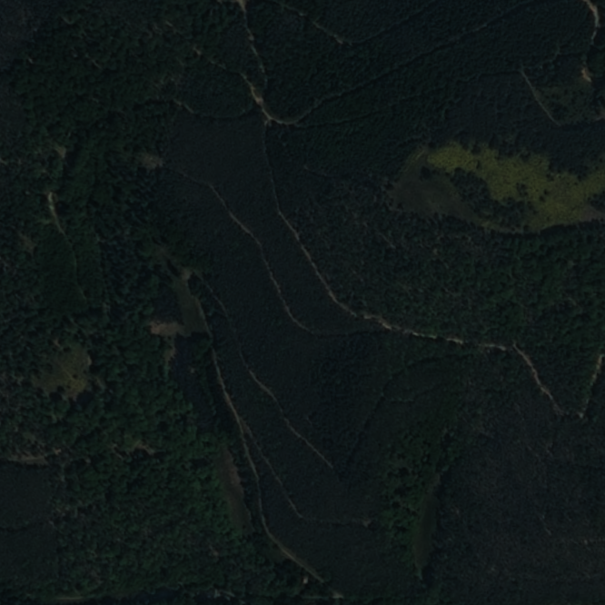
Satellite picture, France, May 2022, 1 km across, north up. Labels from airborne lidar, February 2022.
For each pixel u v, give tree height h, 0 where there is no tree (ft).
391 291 78
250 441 63
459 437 91
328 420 81
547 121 27
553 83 85
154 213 65
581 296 92
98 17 85
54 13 74
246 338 72
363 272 74
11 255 89
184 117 60
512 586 76
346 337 75
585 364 68
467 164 0
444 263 73
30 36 43
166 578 94
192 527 86
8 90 63
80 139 110
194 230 73
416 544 0
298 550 76
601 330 77
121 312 95
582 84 0
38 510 73
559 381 75
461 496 83
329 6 73
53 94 105
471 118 37
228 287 75
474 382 73
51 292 23
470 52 31
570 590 77
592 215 0
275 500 67
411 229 78
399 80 46
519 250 87
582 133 45
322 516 69
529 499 66
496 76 38
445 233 77
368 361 79
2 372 77
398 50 69
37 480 62
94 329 89
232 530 107
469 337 82
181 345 101
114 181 32
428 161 0
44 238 21
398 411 68
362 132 27
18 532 73
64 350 52
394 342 66
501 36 64
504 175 0
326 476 69
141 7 92
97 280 21
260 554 43
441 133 42
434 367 69
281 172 46
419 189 0
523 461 68
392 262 78
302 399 62
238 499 0
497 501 90
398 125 30
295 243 70
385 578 75
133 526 96
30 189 100
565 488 75
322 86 58
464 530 81
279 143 46
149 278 110
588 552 72
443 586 86
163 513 85
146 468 99
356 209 79
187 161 69
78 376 0
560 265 88
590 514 67
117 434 115
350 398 102
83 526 88
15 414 56
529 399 72
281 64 66
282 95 57
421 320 79
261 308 54
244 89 52
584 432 69
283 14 58
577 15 54
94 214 24
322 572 63
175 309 91
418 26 57
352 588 72
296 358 68
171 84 73
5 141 65
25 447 81
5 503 62
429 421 99
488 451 83
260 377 52
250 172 66
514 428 73
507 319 97
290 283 64
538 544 65
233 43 92
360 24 80
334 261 68
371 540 76
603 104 76
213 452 98
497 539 87
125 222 29
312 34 79
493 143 38
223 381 63
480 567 83
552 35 61
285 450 62
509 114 31
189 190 62
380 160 29
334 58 68
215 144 62
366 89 25
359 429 81
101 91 84
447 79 56
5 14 58
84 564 71
